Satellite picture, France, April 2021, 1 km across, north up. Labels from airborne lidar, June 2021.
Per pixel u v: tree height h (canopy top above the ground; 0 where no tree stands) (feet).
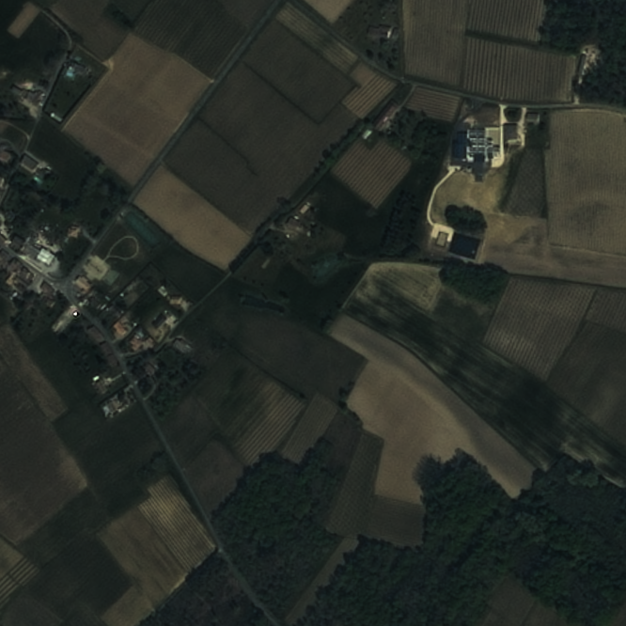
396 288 0
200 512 0
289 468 49
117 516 0
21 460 0
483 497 88
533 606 0
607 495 50
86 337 37
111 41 0
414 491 0
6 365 0
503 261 0
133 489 0
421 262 26
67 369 0
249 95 0
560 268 0
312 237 25
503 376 0
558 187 0
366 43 0
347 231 0
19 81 0
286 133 0
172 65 0
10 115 49
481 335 0
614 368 0
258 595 28
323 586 0
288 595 39
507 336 0
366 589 64
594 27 74
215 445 0
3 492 0
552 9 47
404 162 0
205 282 0
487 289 59
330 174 0
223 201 0
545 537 92
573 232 0
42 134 0
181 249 21
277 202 0
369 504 0
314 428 0
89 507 0
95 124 0
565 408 0
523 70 0
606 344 0
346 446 0
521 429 0
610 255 0
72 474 0
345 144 53
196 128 0
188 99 0
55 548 0
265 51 0
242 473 0
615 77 75
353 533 0
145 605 0
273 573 25
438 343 0
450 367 0
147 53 0
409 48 0
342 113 0
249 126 0
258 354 0
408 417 0
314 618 55
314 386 0
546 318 0
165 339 0
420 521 0
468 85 0
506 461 0
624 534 60
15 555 0
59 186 0
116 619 0
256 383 0
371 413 0
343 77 0
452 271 65
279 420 0
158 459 42
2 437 0
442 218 0
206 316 0
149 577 0
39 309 26
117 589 0
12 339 0
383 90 0
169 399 40
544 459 0
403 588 61
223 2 0
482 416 0
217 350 37
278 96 0
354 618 61
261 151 0
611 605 77
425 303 0
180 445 0
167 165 0
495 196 0
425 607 67
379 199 0
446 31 0
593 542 57
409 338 0
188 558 0
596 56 0
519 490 0
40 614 0
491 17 0
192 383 38
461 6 0
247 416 0
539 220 0
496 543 59
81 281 0
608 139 0
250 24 0
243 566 51
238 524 60
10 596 0
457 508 86
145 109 0
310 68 0
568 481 54
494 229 0
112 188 35
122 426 0
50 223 0
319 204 0
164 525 0
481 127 0
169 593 0
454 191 0
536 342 0
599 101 57
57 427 0
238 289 0
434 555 48
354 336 0
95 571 0
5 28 0
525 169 0
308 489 70
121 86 0
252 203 0
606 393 0
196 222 0
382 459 0
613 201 0
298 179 0
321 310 0
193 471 0
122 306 31
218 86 0
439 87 0
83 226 20
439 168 0
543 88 0
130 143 0
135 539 0
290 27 0
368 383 0
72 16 0
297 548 61
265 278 0
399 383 0
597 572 78
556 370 0
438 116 0
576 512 81
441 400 0
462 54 0
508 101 0
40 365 0
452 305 0
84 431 0
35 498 0
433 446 0
